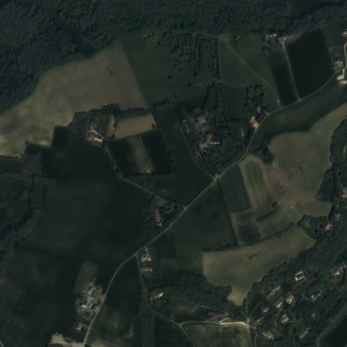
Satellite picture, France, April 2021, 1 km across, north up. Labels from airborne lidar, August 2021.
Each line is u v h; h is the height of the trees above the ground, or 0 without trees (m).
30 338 0
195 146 14
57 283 0
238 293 0
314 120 0
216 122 12
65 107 0
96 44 15
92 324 0
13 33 15
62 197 0
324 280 14
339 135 22
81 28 21
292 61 0
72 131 13
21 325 0
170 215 11
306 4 0
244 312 15
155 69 0
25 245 0
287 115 0
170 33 12
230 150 6
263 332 13
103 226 0
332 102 0
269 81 0
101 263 0
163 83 0
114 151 0
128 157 0
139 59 0
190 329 0
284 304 6
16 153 0
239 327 0
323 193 0
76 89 0
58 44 9
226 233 0
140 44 0
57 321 0
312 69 0
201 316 0
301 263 19
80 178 0
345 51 0
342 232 24
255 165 0
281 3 8
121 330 0
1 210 0
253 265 0
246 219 0
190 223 0
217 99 11
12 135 0
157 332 0
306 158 0
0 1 0
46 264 0
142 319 20
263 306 13
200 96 0
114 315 0
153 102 0
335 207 9
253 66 0
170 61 0
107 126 0
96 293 0
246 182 0
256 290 17
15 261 0
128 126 0
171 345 0
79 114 11
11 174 16
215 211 0
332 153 10
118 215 0
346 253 8
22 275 0
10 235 22
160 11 26
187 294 21
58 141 0
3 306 0
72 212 0
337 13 21
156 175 11
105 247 0
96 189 0
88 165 0
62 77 0
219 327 0
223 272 0
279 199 0
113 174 0
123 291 0
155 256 0
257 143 0
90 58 0
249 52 0
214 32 25
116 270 0
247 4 22
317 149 0
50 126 0
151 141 0
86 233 0
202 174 0
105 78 0
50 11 6
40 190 10
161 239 0
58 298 0
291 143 0
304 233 0
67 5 9
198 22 24
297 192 0
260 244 0
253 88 11
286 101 0
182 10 22
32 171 8
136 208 0
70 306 0
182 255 0
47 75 0
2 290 0
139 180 17
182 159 0
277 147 0
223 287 11
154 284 0
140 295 15
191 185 0
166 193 0
